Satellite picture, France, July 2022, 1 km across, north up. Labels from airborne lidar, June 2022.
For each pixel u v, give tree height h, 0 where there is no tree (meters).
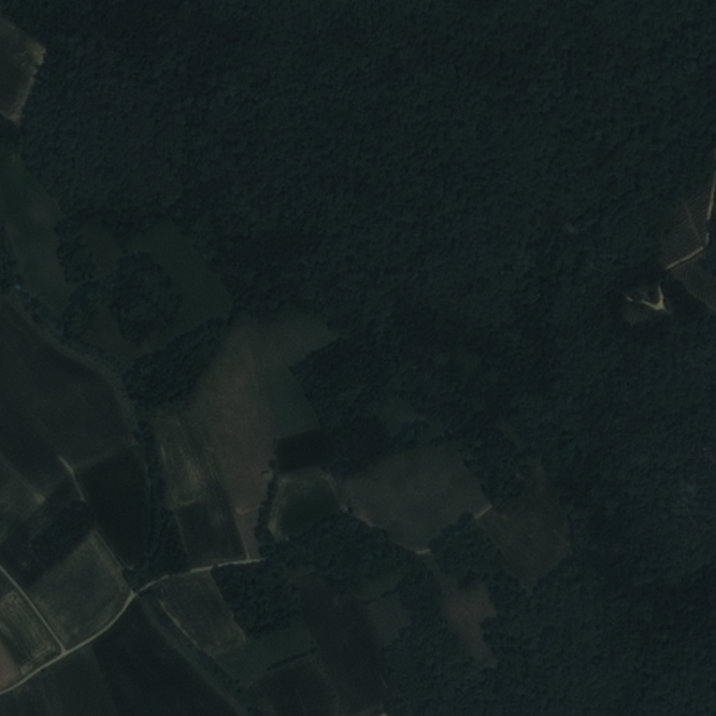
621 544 24
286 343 0
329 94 23
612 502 27
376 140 21
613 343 23
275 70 16
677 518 24
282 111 21
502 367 16
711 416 22
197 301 0
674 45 31
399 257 27
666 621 18
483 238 15
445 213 18
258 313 27
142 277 28
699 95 26
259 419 0
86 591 0
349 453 17
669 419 16
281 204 23
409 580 15
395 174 19
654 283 14
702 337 14
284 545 12
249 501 0
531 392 28
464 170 19
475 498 0
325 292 22
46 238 0
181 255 0
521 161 29
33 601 0
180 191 21
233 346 0
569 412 32
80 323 27
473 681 20
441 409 25
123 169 28
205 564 0
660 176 25
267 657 0
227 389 0
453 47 26
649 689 21
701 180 22
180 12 28
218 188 24
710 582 28
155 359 21
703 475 23
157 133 27
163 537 19
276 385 0
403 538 0
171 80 27
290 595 14
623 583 27
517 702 26
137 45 31
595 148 27
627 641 16
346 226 13
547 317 16
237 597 26
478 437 24
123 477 0
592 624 18
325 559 26
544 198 26
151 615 0
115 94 23
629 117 23
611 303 20
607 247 22
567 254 33
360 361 24
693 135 30
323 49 23
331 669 0
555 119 22
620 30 24
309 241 10
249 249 20
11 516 0
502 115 26
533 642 22
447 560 29
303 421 0
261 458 0
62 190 28
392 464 0
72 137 21
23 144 27
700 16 25
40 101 20
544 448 24
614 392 29
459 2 27
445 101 16
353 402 24
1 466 0
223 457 0
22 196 0
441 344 18
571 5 22
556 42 22
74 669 0
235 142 30
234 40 22
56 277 0
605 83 22
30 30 13
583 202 27
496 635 12
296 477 0
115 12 32
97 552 0
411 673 13
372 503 0
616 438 25
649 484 25
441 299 22
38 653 0
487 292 21
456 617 0
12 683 0
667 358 23
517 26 33
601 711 26
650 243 23
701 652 17
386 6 13
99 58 25
